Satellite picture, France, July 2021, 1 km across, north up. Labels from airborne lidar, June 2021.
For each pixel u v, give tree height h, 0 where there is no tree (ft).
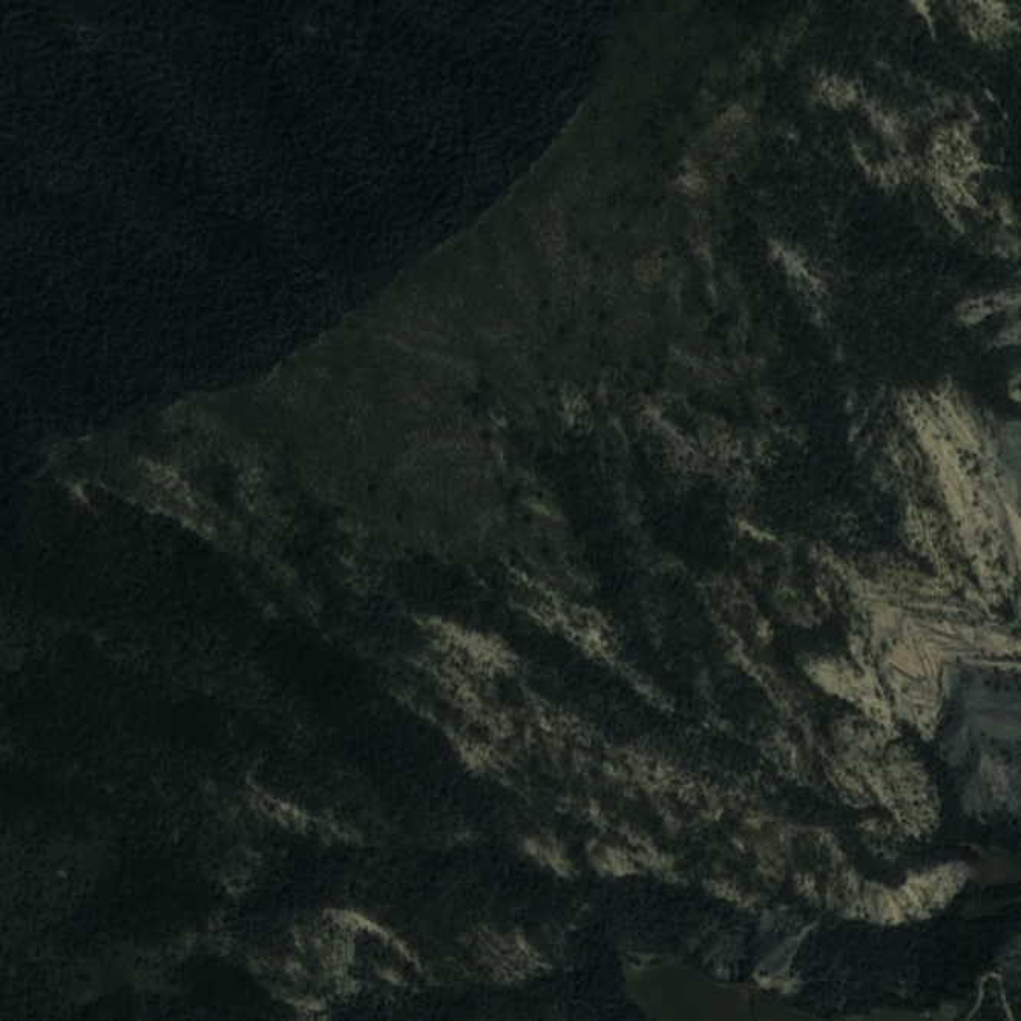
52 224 49
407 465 0
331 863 32
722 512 20
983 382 22
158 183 66
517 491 28
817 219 33
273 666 48
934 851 23
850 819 19
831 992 27
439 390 0
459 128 45
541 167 0
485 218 0
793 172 35
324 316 19
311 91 43
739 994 0
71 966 31
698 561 22
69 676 41
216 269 38
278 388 0
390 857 18
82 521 35
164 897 46
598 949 59
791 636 28
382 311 0
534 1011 24
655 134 22
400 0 25
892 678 0
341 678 36
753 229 24
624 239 0
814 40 20
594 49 35
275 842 22
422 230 58
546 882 39
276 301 55
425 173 71
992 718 0
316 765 31
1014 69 26
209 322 58
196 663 36
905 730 19
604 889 39
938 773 23
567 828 26
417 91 40
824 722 20
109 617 38
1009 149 20
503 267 0
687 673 20
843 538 25
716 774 26
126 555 43
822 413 38
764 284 22
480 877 20
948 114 19
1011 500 0
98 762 25
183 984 40
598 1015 26
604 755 20
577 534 26
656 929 28
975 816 21
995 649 0
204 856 21
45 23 52
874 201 44
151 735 30
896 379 23
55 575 46
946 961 29
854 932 26
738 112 0
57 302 52
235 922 26
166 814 33
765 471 19
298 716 28
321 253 47
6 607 50
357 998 23
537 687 18
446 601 35
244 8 69
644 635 20
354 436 0
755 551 22
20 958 22
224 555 27
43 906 31
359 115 67
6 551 23
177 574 37
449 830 30
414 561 22
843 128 32
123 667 30
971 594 0
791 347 36
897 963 32
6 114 22
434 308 0
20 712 37
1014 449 0
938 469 0
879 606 0
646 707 26
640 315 0
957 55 32
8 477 56
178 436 24
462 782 31
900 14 30
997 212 20
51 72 48
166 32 26
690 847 18
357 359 0
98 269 50
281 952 27
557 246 0
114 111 53
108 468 26
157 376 36
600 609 24
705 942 20
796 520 19
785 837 0
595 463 39
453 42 32
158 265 46
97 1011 42
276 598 37
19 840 24
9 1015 32
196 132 45
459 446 0
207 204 28
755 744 19
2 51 52
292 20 47
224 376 29
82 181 23
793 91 28
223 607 53
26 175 52
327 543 21
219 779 26
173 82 45
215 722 45
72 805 31
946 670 0
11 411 50
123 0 26
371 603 36
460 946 21
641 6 23
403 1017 33
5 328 57
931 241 23
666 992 0
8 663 45
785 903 23
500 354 0
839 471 35
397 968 30
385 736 36
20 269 53
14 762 38
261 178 17
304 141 27
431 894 33
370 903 31
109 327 55
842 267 20
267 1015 36
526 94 48
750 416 18
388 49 72
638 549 19
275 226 41
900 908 0
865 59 23
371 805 18
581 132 0
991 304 22
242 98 52
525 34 24
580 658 24
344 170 31
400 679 19
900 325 22
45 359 41
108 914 36
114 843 41
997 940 30
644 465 24
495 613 47
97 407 43
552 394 23
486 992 37
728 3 26
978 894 30
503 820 21
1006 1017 21
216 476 25
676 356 0
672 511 28
